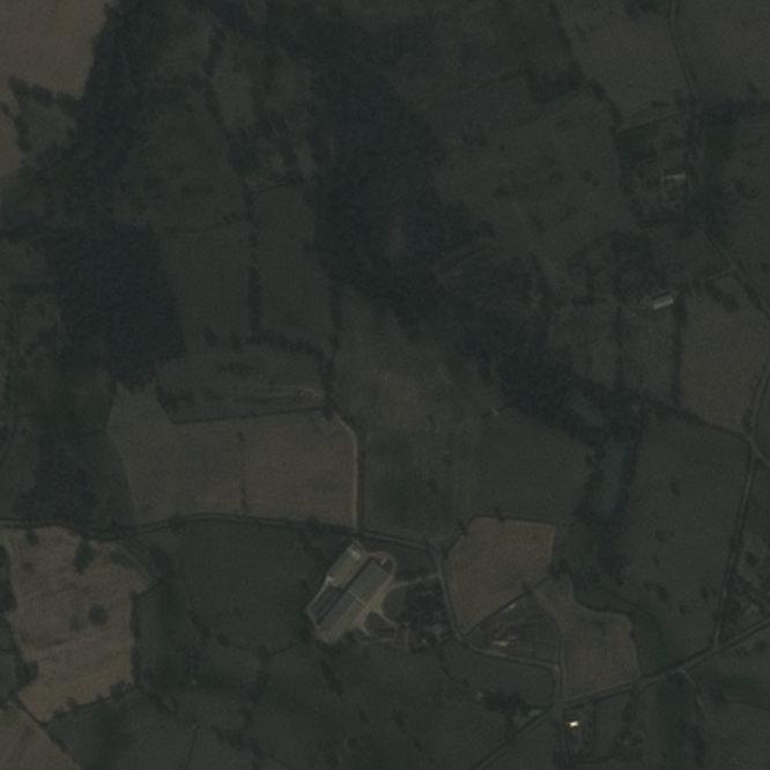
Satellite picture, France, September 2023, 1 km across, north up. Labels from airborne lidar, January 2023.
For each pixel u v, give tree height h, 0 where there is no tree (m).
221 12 15
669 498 0
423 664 0
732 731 0
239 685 0
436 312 0
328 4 0
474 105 0
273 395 0
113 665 0
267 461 0
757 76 0
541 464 0
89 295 22
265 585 0
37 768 0
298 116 0
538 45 0
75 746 0
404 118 13
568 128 0
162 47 0
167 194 0
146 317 10
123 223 0
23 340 0
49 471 16
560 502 0
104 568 0
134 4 12
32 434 0
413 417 0
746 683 0
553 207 0
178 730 0
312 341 0
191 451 0
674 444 0
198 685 0
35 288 0
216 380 0
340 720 0
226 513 0
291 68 0
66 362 13
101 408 0
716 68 0
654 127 0
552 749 0
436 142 12
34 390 0
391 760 0
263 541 0
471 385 0
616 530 9
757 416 0
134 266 11
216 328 0
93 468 0
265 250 0
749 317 0
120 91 10
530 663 0
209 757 0
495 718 0
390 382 0
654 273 11
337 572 0
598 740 0
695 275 0
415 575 7
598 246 0
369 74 0
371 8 0
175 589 0
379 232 0
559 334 0
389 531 0
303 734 0
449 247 13
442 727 0
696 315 0
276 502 0
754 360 0
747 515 8
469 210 0
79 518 18
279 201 0
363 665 0
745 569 0
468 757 0
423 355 0
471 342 21
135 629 12
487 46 0
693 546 0
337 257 14
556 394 8
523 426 0
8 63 0
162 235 0
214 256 0
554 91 16
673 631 0
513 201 0
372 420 0
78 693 0
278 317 0
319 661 0
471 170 0
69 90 0
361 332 0
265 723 0
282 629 0
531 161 0
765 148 0
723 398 0
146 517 0
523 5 0
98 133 18
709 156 0
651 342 0
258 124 0
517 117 0
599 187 0
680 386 14
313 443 0
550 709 0
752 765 0
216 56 10
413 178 0
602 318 0
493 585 0
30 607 0
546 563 0
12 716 0
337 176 14
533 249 0
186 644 0
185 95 0
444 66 0
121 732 0
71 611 0
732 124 6
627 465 12
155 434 0
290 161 18
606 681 0
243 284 0
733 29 0
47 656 0
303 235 0
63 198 0
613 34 0
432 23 0
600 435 12
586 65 0
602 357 0
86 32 0
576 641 0
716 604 0
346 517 0
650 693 0
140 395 0
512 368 21
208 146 0
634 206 7
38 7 0
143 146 0
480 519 0
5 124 0
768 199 0
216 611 0
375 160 14
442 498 0
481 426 0
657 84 0
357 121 23
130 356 11
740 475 0
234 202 0
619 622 0
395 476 0
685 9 0
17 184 0
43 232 8
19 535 0
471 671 0
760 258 0
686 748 0
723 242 0
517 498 0
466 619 0
